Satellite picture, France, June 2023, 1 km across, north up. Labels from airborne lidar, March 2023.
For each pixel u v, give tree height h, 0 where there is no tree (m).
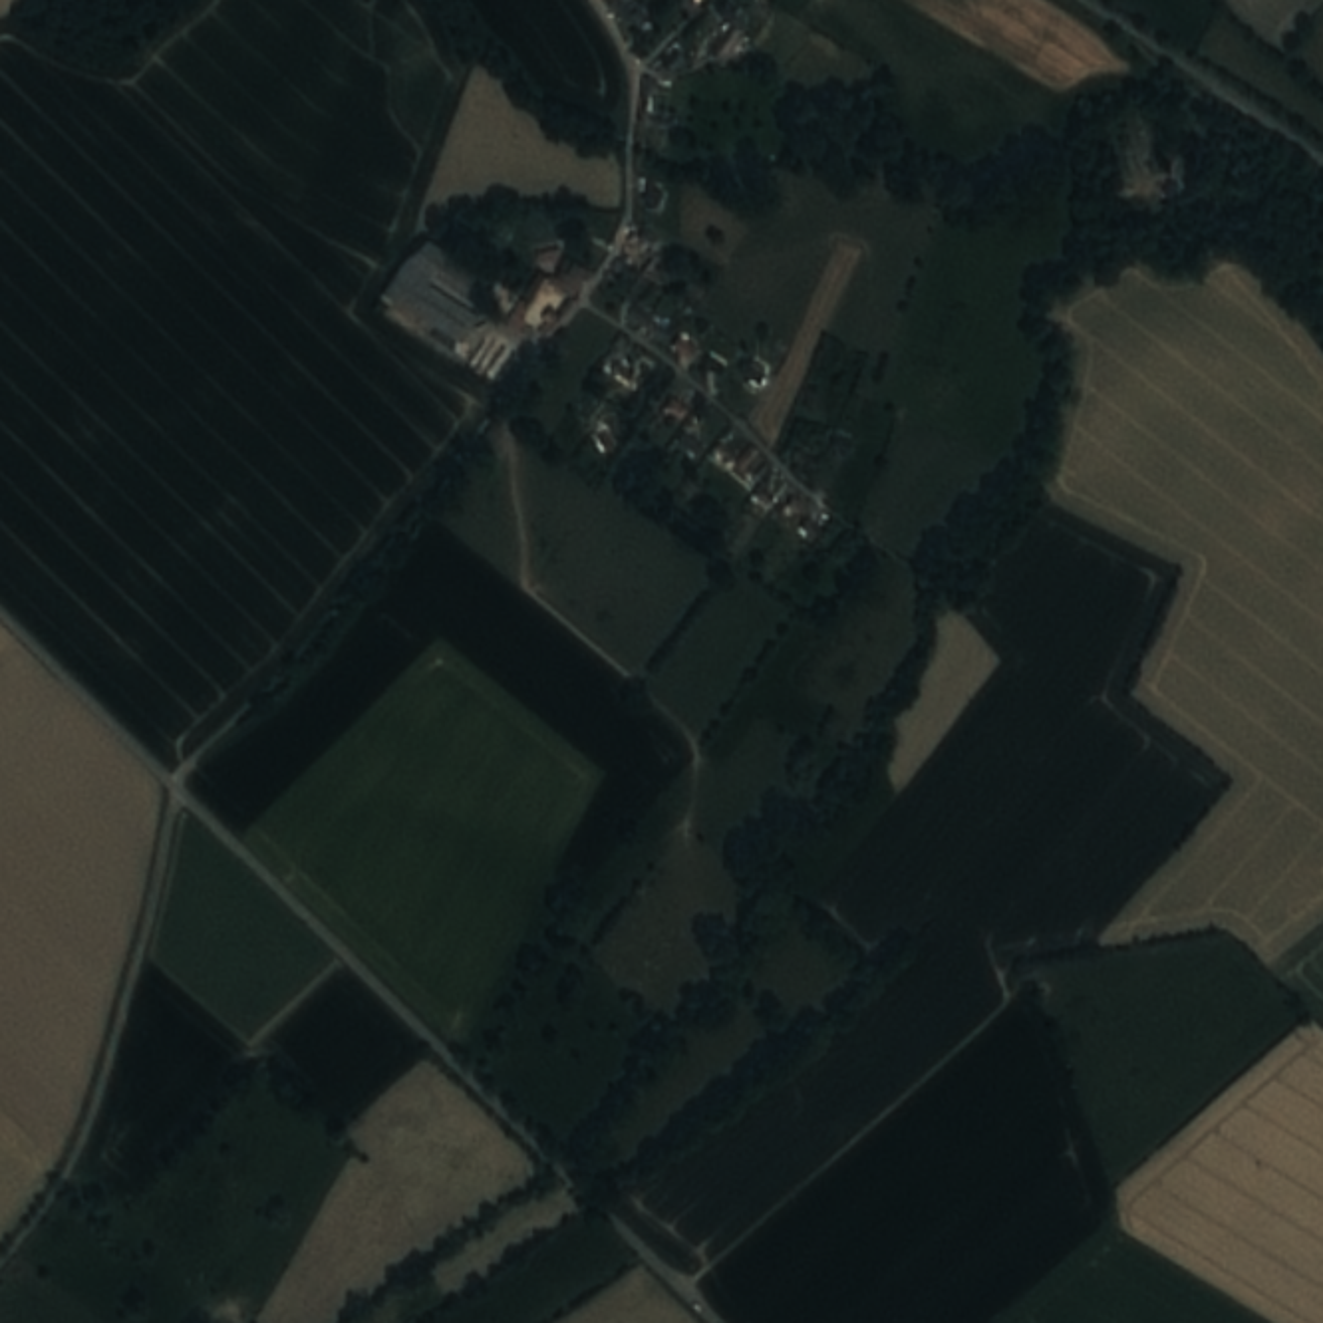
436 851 0
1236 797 0
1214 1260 0
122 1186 0
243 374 0
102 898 0
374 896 0
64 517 0
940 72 0
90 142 0
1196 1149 0
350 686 0
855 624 0
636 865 0
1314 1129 0
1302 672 0
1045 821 0
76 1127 0
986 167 15
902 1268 0
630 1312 0
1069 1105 0
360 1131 0
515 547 0
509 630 0
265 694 14
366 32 0
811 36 0
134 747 0
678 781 0
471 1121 0
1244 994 0
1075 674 0
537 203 10
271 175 0
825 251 0
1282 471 0
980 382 0
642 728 0
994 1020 0
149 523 0
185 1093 0
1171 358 0
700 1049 0
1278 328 0
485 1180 0
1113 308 0
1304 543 0
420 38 0
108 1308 0
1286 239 27
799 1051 20
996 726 0
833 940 23
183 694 0
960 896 0
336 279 0
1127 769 0
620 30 0
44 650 0
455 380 0
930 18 0
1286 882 0
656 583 0
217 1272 0
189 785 0
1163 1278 0
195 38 0
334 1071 0
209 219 0
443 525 0
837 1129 0
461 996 0
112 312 0
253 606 0
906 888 0
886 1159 0
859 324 0
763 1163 0
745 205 30
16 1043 0
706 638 0
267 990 0
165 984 0
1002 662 0
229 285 0
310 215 0
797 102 26
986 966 0
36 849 0
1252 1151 0
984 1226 0
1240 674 0
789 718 0
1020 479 23
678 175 13
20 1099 0
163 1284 0
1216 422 0
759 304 0
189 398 0
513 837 0
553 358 20
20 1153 0
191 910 0
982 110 0
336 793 0
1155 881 0
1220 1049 0
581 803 0
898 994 0
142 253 0
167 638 0
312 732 0
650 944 0
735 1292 0
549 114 16
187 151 0
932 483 0
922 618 7
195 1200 0
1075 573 0
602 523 0
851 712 0
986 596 0
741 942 26
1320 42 0
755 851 25
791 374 0
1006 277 0
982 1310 0
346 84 0
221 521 0
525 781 0
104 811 0
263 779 0
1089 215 24
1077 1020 0
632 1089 17
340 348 0
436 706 0
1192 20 0
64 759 0
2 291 0
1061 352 24
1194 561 0
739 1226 0
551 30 0
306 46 0
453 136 0
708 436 0
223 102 0
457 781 0
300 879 0
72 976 0
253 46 0
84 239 0
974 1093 0
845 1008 19
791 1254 0
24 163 0
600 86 0
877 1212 0
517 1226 0
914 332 0
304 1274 0
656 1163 16
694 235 0
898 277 0
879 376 8
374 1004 0
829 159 39
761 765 0
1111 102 11
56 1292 0
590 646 0
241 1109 0
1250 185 14
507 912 0
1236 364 0
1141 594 0
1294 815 0
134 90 0
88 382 0
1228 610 0
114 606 0
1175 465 0
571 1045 0
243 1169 0
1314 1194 0
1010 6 0
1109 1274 0
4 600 0
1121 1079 0
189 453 0
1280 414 0
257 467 0
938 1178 0
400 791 0
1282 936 0
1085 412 0
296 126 0
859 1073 0
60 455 0
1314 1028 0
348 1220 0
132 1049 0
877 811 0
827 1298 0
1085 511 0
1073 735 0
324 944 0
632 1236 0
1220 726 0
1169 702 0
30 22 15
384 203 0
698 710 0
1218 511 0
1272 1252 0
